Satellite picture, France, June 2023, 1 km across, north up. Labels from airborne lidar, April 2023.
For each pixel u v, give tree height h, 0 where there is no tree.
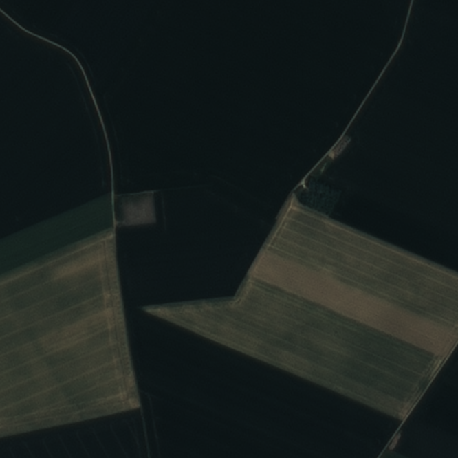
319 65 0
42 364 0
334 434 0
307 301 0
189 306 0
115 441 0
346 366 0
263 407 0
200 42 0
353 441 0
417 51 0
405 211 0
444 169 0
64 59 0
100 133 0
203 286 0
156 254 0
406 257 0
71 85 0
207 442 0
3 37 0
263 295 0
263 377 0
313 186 7
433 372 0
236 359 0
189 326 0
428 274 0
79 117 0
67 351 0
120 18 0
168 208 0
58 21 0
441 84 0
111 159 0
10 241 0
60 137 0
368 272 0
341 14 0
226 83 0
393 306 0
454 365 0
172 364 0
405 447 0
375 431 0
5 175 0
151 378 0
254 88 0
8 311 0
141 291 0
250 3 0
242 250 0
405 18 0
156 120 0
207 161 0
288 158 0
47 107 0
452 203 0
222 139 0
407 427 0
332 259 0
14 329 0
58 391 0
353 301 0
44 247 0
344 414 0
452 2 0
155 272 0
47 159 0
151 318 0
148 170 0
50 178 0
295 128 0
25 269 0
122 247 0
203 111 0
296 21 0
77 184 0
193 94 0
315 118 0
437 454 0
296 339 0
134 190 0
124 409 0
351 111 0
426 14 0
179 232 0
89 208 0
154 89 0
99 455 0
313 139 0
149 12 0
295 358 0
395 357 0
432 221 0
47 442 0
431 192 0
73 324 0
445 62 0
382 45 0
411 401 0
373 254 0
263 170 0
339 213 0
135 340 0
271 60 0
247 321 0
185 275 0
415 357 0
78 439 0
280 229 0
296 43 0
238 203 0
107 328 0
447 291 0
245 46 0
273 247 0
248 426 0
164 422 0
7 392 0
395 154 0
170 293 0
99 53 0
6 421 0
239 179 0
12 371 0
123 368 0
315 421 0
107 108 0
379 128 0
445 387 0
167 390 0
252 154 0
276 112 0
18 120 0
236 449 0
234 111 0
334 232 0
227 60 0
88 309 0
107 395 0
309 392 0
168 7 0
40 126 0
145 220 0
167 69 0
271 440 0
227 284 0
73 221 0
